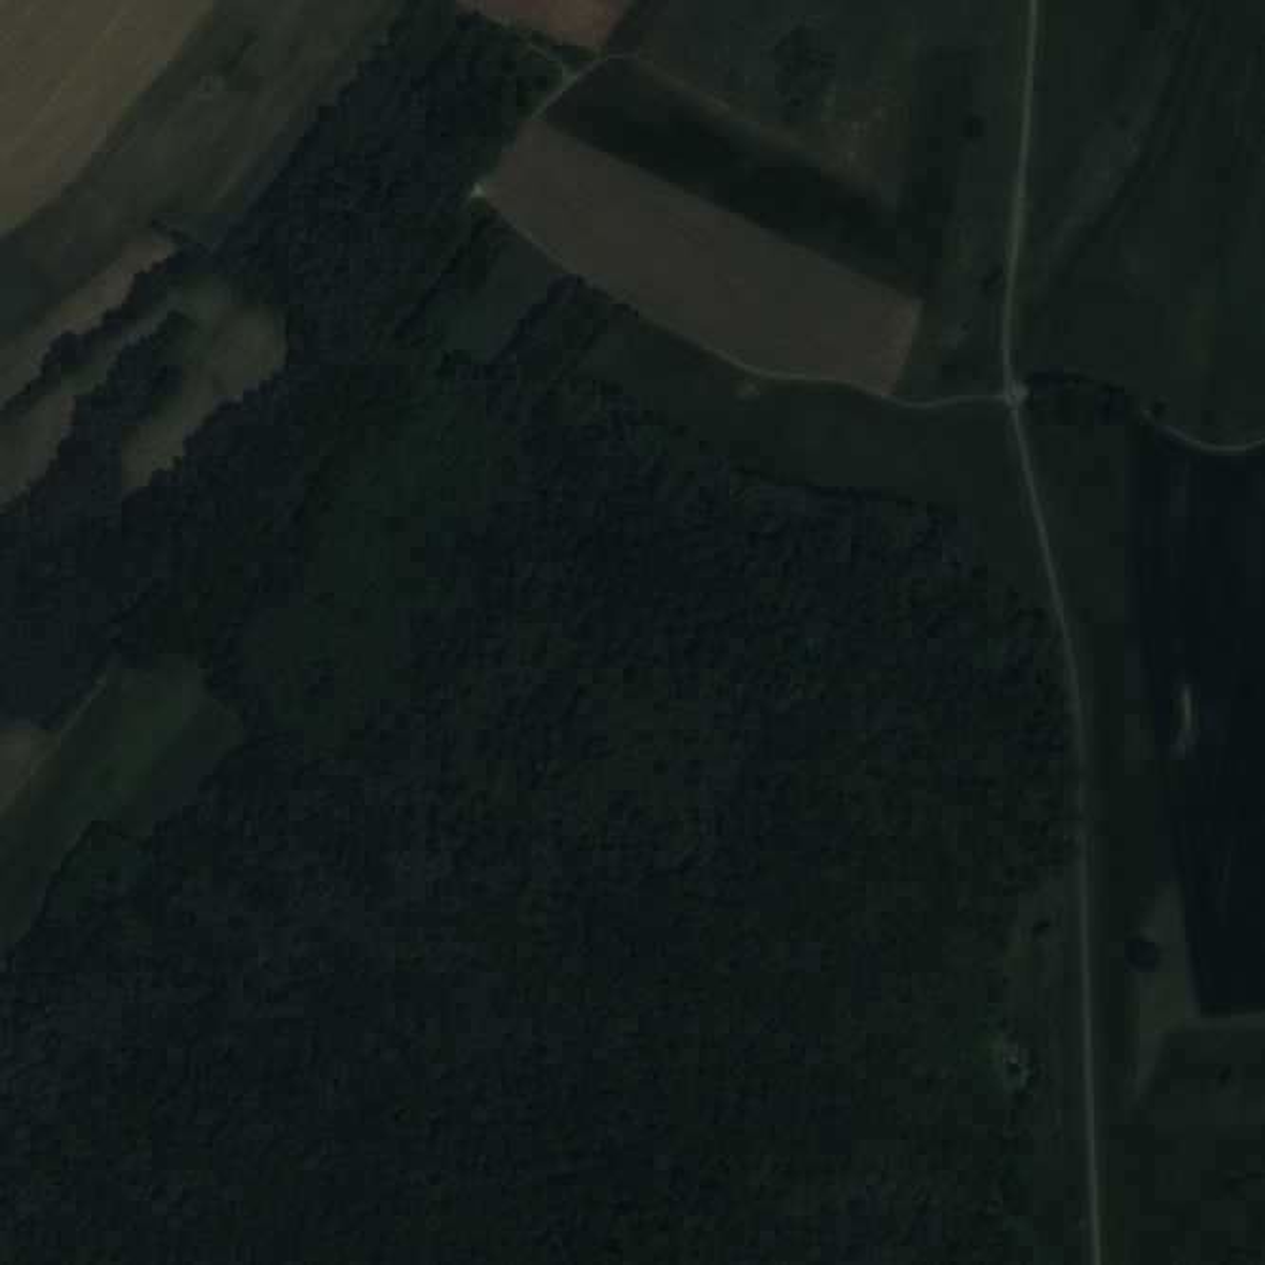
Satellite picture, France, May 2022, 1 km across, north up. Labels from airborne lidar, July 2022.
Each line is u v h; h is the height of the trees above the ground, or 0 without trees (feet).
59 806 0
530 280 0
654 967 63
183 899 64
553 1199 85
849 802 77
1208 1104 0
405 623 60
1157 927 0
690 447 62
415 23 61
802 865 66
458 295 47
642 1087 69
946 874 63
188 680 0
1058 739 80
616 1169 87
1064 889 0
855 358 0
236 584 49
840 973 60
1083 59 0
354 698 64
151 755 0
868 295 0
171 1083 63
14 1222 48
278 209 62
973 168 0
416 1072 75
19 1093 80
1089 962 0
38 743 0
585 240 0
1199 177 0
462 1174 65
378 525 71
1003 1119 65
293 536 39
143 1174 51
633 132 0
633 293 0
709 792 43
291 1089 77
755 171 0
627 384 0
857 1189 56
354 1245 58
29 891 0
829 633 57
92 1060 78
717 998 62
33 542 50
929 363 0
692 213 0
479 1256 64
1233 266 0
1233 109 0
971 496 0
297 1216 62
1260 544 0
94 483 54
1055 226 0
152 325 0
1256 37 0
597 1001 58
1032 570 0
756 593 65
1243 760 0
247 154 0
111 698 0
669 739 36
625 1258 94
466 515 72
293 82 0
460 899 76
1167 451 0
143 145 0
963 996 67
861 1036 75
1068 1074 0
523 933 68
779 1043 62
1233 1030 0
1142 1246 0
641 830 60
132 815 0
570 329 65
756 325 0
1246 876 0
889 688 60
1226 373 0
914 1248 60
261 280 69
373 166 49
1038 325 0
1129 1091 0
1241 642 0
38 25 0
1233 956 0
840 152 0
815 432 0
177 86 0
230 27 0
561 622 54
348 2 0
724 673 33
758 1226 53
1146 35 0
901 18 0
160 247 0
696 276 0
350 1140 80
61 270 0
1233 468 0
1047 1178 0
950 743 75
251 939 77
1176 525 0
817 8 0
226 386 0
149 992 96
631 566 77
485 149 74
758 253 0
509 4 0
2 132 0
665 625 42
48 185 0
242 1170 66
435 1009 68
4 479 0
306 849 74
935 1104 65
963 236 0
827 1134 76
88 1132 69
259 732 57
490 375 54
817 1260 22
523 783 47
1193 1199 0
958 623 74
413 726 34
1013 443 0
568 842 60
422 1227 60
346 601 66
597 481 73
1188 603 0
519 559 40
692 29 0
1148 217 0
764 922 69
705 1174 69
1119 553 0
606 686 37
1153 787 0
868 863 64
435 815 67
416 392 67
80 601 38
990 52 0
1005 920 59
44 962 65
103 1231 68
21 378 0
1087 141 0
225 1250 82
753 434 0
